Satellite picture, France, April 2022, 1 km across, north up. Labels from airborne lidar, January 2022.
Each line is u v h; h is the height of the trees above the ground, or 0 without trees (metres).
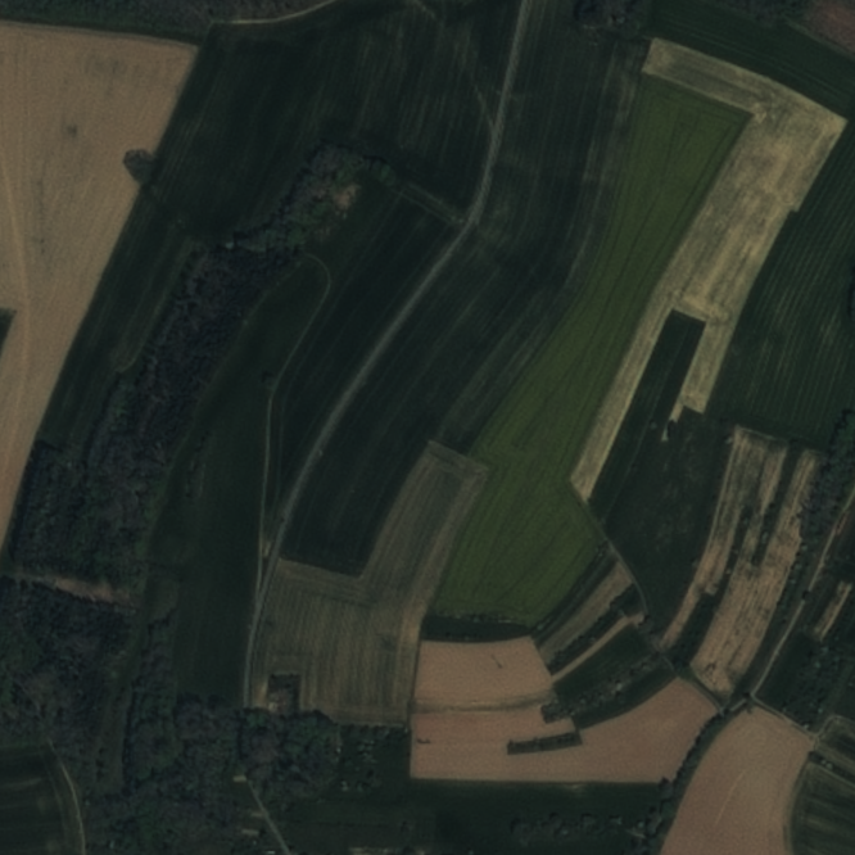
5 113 0
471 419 0
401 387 0
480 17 0
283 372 0
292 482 0
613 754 0
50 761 0
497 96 0
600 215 0
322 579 0
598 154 0
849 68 0
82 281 0
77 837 0
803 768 0
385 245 0
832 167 0
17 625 17
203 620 0
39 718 23
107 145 0
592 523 0
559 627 0
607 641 0
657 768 0
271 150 0
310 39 0
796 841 0
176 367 19
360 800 0
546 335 0
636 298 0
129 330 0
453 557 0
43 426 0
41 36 0
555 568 0
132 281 0
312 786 22
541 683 0
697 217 0
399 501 0
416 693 0
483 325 0
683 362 0
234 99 0
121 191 0
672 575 0
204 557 0
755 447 0
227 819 25
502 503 0
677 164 0
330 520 0
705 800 0
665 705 0
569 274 0
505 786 0
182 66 0
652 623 9
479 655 0
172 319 18
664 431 0
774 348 0
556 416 0
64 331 0
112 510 29
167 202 0
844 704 0
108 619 20
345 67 0
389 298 0
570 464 0
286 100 0
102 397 0
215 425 0
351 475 0
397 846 0
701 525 0
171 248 0
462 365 0
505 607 0
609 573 0
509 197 0
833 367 0
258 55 0
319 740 16
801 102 0
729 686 0
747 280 0
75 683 23
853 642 0
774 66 0
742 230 0
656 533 0
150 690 14
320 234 0
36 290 0
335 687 0
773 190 0
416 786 0
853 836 0
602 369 0
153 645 9
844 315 0
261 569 0
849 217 0
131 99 0
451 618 0
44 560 18
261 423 0
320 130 0
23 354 0
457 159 0
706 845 0
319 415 0
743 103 0
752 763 0
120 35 0
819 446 0
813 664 6
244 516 0
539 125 0
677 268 0
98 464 27
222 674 0
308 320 0
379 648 0
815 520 24
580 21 17
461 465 0
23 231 0
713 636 0
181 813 24
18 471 0
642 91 0
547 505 0
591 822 9
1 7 16
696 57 0
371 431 0
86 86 0
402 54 0
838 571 0
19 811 0
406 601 0
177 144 0
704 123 0
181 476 0
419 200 0
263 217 0
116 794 0
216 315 14
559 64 0
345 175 21
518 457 0
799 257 0
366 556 0
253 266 14
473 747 0
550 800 0
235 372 0
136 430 15
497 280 0
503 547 0
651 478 0
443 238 0
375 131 0
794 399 0
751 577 0
